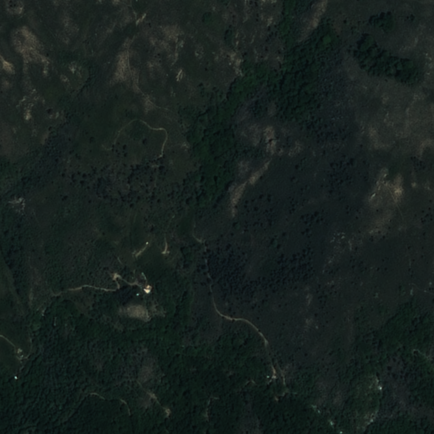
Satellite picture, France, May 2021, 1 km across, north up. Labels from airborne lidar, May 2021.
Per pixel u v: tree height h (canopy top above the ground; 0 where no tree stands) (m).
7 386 18
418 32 0
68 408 11
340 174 7
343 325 6
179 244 11
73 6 0
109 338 12
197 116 8
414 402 7
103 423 14
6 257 13
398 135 0
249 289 14
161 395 15
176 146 0
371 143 0
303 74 18
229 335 14
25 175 8
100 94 0
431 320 8
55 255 7
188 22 6
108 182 22
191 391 24
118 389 9
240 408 12
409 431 23
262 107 16
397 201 0
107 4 0
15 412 12
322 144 9
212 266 14
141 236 0
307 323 0
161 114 0
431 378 11
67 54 7
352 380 8
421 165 11
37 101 0
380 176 0
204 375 12
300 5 8
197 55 0
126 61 0
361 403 11
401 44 0
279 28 11
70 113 8
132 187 13
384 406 6
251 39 0
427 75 0
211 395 9
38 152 15
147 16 0
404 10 0
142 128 6
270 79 18
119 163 14
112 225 7
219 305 0
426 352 7
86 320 23
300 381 11
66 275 6
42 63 0
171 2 0
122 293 11
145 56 0
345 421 13
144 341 14
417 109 0
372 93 0
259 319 15
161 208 8
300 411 12
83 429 13
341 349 8
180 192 15
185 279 13
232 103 25
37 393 9
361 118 0
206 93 14
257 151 6
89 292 12
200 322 13
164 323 28
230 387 15
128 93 0
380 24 20
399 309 8
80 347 8
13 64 0
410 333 24
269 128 0
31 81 0
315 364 5
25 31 0
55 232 7
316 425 10
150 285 6
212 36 0
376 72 13
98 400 11
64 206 6
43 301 9
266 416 18
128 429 15
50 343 9
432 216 12
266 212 6
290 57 22
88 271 6
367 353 21
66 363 6
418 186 0
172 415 11
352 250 0
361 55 19
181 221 0
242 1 0
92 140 11
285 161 6
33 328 23
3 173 23
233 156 9
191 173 13
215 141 18
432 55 0
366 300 7
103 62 0
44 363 8
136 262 6
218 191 19
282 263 16
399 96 0
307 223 14
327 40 30
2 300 7
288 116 12
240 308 11
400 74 17
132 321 13
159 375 11
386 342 25
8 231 9
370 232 0
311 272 15
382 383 6
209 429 25
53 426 13
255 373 17
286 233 12
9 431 17
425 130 0
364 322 9
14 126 0
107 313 10
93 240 9
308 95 23
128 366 7
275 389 17
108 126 0
